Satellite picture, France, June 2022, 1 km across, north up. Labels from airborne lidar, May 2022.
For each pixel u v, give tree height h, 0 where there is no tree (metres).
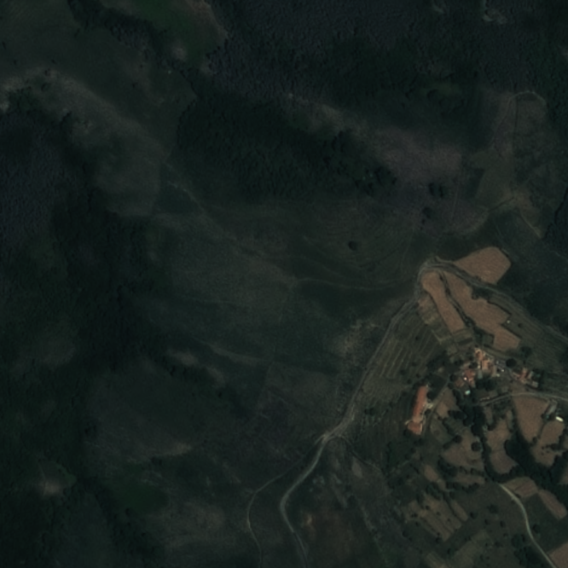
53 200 17
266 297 0
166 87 0
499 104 0
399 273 0
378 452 0
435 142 0
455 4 17
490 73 15
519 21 12
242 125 16
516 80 15
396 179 8
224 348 0
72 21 0
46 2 0
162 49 19
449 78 11
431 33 16
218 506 0
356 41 17
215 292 0
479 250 0
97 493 17
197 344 0
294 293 0
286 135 23
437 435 0
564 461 23
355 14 18
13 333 7
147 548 21
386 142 0
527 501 0
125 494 0
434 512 0
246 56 13
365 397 0
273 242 0
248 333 0
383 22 17
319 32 17
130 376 0
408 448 0
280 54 8
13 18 0
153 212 0
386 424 0
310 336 0
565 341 0
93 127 0
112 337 22
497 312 0
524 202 0
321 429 0
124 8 0
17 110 12
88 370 26
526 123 0
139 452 0
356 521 0
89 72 0
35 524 22
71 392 15
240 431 0
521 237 0
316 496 0
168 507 0
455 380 15
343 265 0
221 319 0
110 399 0
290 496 0
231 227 0
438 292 0
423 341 0
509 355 0
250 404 0
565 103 16
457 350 0
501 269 0
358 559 0
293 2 14
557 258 0
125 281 7
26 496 13
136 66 0
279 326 0
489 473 15
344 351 0
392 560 0
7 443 12
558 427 0
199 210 0
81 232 23
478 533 0
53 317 9
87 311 15
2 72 0
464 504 0
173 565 0
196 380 8
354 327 0
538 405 0
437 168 0
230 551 0
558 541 0
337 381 0
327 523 0
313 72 15
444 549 0
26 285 9
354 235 0
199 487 0
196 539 0
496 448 0
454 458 0
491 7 9
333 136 0
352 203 0
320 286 0
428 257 0
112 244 18
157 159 0
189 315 0
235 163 10
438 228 0
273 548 0
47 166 18
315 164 10
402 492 0
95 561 0
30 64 0
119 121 0
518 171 0
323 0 15
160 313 0
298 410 0
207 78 9
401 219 0
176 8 0
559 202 0
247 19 20
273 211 0
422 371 0
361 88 18
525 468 20
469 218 0
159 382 0
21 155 18
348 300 0
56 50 0
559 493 14
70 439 25
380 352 0
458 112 13
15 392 20
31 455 11
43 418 6
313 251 0
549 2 15
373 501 0
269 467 0
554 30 12
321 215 0
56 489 0
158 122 0
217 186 0
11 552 20
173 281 0
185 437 0
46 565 12
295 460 0
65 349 6
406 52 14
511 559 0
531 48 22
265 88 8
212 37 0
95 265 18
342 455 0
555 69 15
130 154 0
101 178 0
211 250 0
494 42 16
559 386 0
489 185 0
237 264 0
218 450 0
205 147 6
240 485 0
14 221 22
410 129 0
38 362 17
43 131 16
